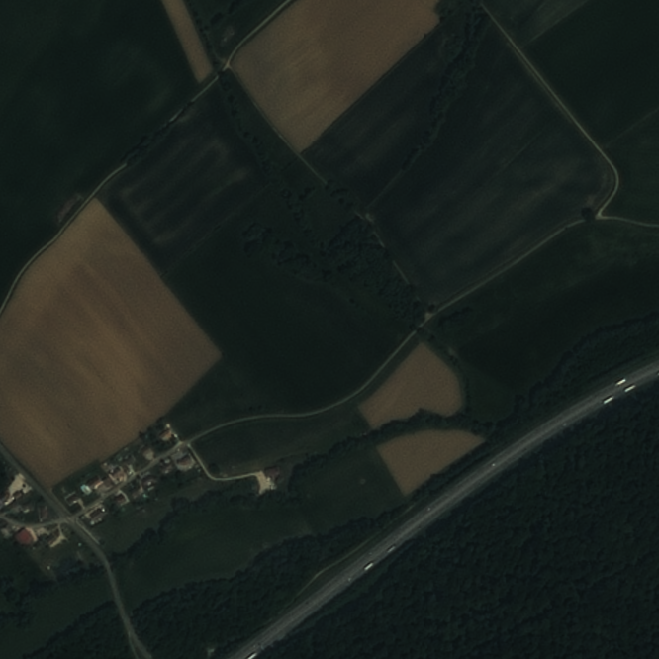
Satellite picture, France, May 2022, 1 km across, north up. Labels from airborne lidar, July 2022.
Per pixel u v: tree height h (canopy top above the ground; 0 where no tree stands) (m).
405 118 0
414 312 14
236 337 0
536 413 20
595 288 0
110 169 0
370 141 0
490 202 0
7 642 0
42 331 0
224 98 0
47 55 0
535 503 23
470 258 0
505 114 0
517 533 26
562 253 0
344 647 23
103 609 13
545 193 0
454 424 14
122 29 0
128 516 0
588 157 0
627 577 23
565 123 0
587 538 28
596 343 15
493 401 0
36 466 0
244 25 0
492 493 19
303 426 0
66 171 0
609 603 27
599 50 0
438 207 0
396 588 24
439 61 0
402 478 0
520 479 25
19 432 0
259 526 0
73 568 6
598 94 0
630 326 19
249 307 0
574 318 0
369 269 22
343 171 0
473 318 14
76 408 0
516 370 0
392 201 0
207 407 0
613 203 0
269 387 0
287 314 0
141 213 0
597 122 0
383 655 25
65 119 0
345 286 0
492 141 0
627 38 0
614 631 21
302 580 16
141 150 19
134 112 0
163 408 0
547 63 0
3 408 0
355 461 0
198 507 18
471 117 0
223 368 0
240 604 15
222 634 18
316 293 0
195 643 20
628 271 0
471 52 20
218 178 0
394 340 0
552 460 25
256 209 0
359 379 0
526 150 0
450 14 7
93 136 0
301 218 19
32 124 0
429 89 0
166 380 0
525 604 26
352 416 0
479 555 28
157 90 0
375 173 0
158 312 0
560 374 19
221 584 10
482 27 17
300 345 0
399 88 0
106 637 17
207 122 0
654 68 0
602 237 0
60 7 0
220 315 0
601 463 24
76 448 0
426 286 0
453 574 27
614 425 24
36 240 0
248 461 0
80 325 0
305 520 0
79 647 9
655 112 0
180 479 11
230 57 0
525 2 0
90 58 0
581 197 0
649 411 26
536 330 0
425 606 25
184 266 0
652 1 0
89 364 0
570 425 0
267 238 22
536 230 0
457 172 0
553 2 0
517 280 0
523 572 20
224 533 0
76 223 0
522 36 0
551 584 21
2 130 0
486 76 0
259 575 16
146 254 0
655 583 19
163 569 0
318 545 23
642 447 19
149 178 0
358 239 15
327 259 20
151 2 0
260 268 0
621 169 0
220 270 0
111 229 0
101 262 0
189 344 0
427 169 0
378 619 28
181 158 0
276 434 0
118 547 0
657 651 27
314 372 0
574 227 0
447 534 24
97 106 0
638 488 26
